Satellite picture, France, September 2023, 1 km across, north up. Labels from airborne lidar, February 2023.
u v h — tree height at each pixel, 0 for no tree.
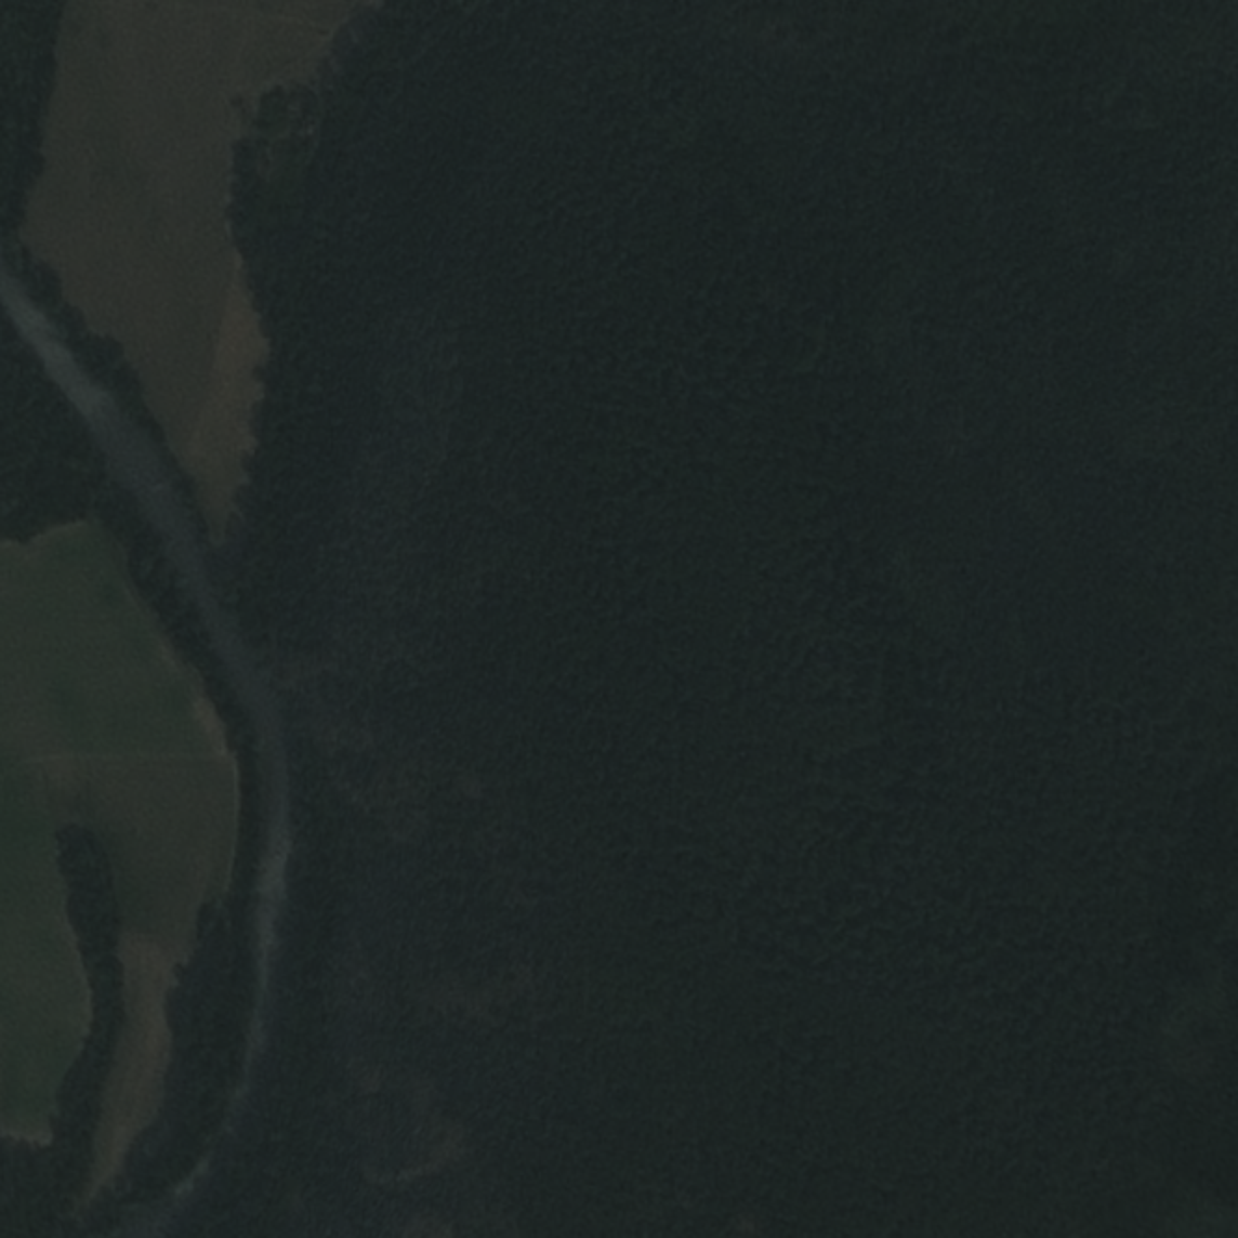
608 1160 19
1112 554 12
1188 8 21
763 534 20
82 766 0
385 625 22
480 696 21
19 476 17
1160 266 19
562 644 18
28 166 16
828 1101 16
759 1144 18
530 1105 18
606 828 15
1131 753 16
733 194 19
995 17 17
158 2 0
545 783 15
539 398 16
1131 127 22
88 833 0
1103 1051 18
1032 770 18
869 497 20
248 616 25
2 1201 21
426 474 12
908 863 21
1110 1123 13
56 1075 0
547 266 16
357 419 8
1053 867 18
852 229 21
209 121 0
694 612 20
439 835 12
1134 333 16
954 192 22
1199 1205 13
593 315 14
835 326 22
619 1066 21
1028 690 19
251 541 26
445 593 13
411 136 8
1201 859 18
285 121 0
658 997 13
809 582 9
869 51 13
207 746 0
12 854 0
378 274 7
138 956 0
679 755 18
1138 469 18
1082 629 21
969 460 18
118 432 0
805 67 14
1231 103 23
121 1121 0
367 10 0
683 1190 8
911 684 13
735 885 18
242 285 0
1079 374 18
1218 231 19
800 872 21
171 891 0
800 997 25
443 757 14
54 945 0
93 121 0
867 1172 16
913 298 18
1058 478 21
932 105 23
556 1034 14
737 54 18
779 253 22
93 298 0
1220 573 15
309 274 8
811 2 10
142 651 0
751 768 16
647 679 20
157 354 0
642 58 24
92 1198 0
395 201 9
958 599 21
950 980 18
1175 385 19
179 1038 20
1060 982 20
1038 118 19
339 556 15
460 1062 15
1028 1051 17
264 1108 21
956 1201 16
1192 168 19
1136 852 19
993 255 24
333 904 26
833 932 22
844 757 8
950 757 18
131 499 18
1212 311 23
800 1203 18
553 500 17
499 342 13
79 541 0
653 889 18
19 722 0
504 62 10
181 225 0
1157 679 10
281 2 0
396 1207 8
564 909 15
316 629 8
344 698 12
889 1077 16
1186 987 17
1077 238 19
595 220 14
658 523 19
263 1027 0
